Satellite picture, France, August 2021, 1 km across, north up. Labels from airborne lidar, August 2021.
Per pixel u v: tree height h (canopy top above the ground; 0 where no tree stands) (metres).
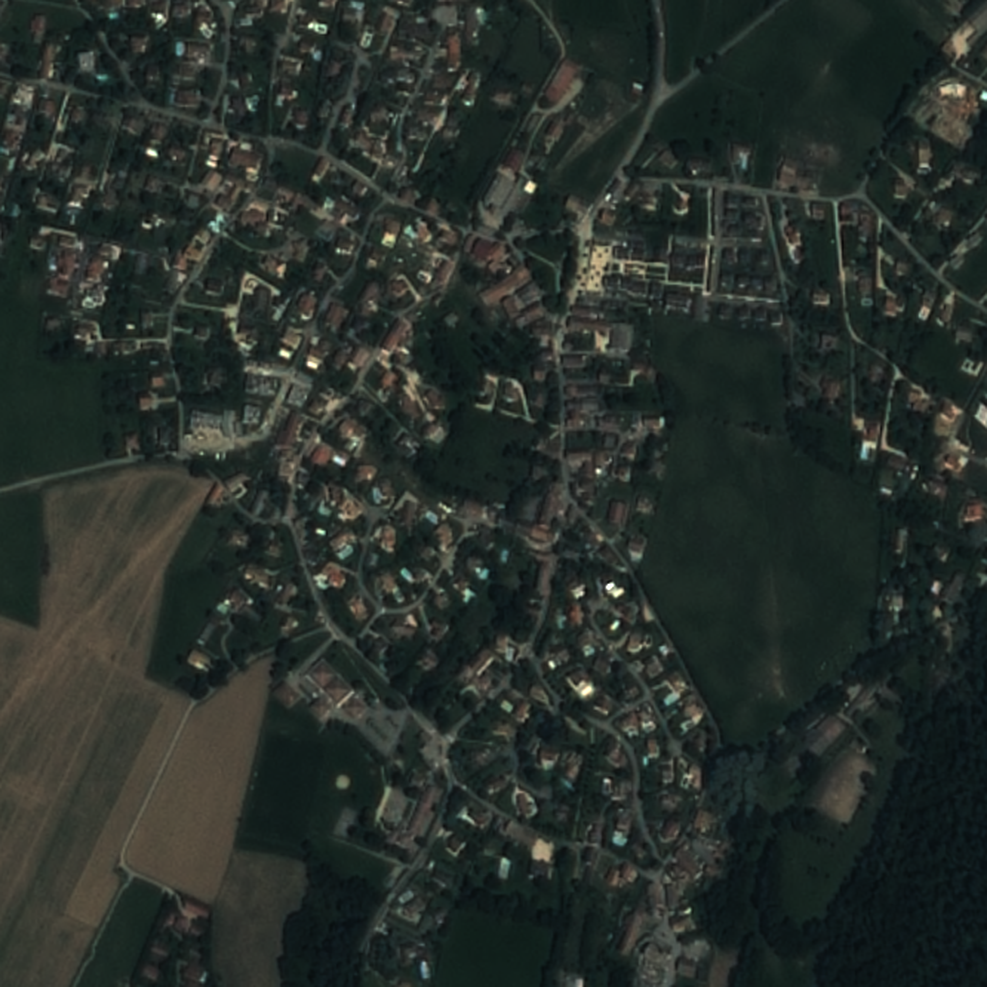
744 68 0
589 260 0
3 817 0
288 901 0
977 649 22
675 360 0
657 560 0
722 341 0
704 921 7
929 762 23
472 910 13
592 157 0
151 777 0
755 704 0
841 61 0
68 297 0
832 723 0
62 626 0
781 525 0
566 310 13
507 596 22
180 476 0
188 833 0
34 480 0
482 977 0
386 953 11
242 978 0
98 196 6
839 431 0
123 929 0
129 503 0
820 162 0
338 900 7
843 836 9
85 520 0
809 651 0
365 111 18
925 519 11
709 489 0
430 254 0
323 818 0
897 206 7
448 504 0
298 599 10
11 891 0
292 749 0
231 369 10
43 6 0
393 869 0
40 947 0
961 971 18
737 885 14
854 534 0
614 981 12
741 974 17
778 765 15
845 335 6
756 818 24
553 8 0
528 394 11
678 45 0
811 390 8
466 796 17
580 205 0
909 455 10
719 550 0
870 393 7
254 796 0
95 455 0
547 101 7
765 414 0
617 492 0
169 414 7
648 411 0
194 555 0
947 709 8
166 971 6
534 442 6
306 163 0
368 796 0
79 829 0
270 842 0
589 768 8
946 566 8
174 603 0
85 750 0
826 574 0
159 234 14
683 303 0
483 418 0
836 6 0
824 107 0
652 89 12
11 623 0
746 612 0
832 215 0
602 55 0
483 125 0
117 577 0
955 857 22
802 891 0
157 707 0
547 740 11
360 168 0
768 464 0
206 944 10
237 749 0
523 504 12
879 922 20
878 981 10
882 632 11
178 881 0
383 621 7
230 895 0
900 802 17
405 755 16
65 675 0
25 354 0
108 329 7
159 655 0
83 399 0
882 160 10
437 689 12
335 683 0
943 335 0
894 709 10
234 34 10
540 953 0
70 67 6
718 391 0
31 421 0
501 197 0
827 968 21
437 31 12
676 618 0
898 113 10
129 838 0
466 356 0
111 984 0
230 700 0
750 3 0
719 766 25
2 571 0
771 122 0
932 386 12
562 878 8
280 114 0
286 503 7
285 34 0
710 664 0
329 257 10
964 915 6
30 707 0
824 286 11
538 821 11
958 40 0
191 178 7
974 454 0
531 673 14
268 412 0
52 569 0
